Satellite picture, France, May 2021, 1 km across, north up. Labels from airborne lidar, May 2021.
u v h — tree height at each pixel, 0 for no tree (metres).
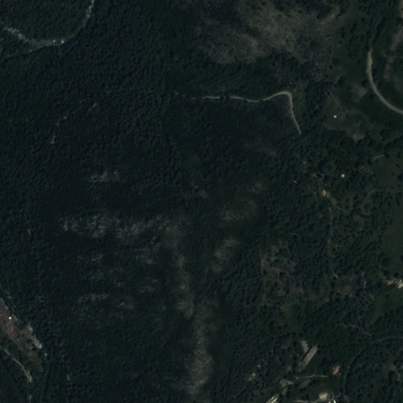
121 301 6
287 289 14
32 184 19
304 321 13
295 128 7
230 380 17
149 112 26
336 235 12
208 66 34
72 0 18
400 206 12
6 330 0
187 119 9
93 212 6
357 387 22
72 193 10
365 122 0
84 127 8
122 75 14
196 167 7
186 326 7
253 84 11
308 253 25
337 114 0
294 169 22
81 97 10
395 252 0
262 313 15
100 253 8
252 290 22
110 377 14
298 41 5
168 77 13
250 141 8
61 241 11
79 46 21
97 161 6
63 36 26
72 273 11
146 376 12
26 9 8
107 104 18
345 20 0
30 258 15
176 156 24
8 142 10
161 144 25
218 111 16
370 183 17
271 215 11
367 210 7
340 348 18
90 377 13
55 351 17
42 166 16
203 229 18
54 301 12
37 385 21
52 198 13
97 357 9
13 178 21
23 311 17
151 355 9
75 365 13
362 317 23
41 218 13
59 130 17
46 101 16
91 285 13
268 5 0
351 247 9
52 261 12
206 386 5
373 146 23
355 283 0
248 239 13
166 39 11
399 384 26
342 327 13
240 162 11
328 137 20
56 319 11
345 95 0
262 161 9
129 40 25
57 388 21
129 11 30
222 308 8
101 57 21
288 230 13
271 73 7
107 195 8
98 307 9
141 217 6
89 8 22
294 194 15
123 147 7
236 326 17
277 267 17
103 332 12
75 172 12
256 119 8
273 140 10
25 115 19
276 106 6
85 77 21
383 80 5
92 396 16
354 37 13
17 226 19
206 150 14
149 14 20
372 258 19
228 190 6
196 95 11
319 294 15
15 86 22
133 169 9
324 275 22
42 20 7
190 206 17
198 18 7
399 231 0
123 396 12
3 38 18
